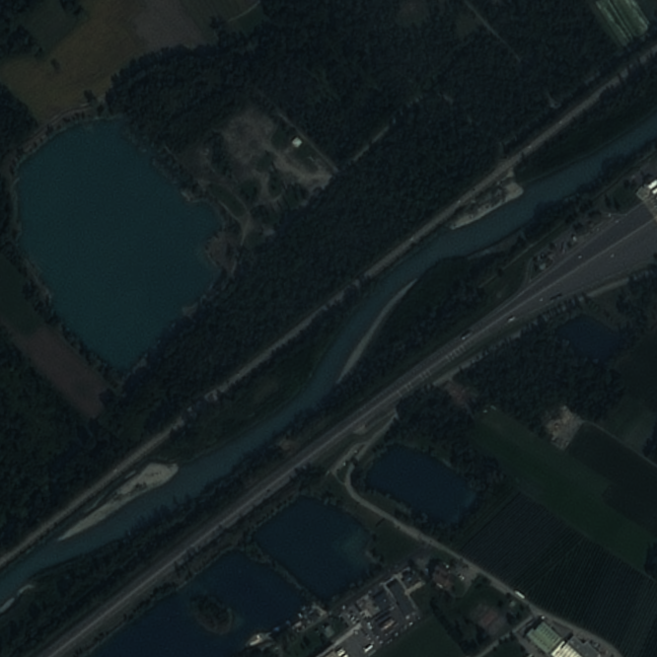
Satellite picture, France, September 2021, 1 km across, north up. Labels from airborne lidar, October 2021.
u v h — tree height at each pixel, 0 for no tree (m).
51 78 0
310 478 16
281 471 0
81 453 22
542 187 0
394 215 16
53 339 0
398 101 21
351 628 0
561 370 21
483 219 0
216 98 16
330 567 0
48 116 0
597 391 16
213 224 0
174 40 0
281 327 22
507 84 8
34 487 18
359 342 0
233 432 6
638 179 0
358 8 22
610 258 0
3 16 34
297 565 0
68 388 0
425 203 17
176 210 0
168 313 0
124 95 16
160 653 0
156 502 0
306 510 0
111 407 22
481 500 10
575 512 0
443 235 0
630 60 17
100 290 0
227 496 19
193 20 0
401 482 0
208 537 0
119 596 0
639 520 0
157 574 0
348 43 11
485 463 12
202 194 10
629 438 0
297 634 20
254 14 0
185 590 0
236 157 0
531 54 7
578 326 0
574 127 11
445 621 19
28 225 0
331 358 0
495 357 14
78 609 14
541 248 0
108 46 0
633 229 0
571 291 0
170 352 19
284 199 0
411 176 21
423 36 8
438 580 0
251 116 0
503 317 0
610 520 0
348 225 18
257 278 20
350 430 0
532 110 13
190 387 25
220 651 0
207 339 16
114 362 0
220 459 0
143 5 0
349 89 23
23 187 0
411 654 0
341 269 17
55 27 0
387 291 0
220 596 0
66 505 22
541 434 22
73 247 0
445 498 0
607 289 0
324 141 10
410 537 0
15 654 8
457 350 0
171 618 0
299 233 26
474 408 16
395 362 15
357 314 0
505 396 19
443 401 6
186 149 11
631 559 0
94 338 0
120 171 0
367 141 17
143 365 0
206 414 24
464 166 15
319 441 0
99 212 0
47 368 0
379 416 0
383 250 14
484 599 0
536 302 0
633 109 6
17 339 0
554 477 0
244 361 21
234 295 7
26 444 28
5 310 0
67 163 0
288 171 0
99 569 24
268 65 15
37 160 0
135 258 0
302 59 21
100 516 0
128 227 0
